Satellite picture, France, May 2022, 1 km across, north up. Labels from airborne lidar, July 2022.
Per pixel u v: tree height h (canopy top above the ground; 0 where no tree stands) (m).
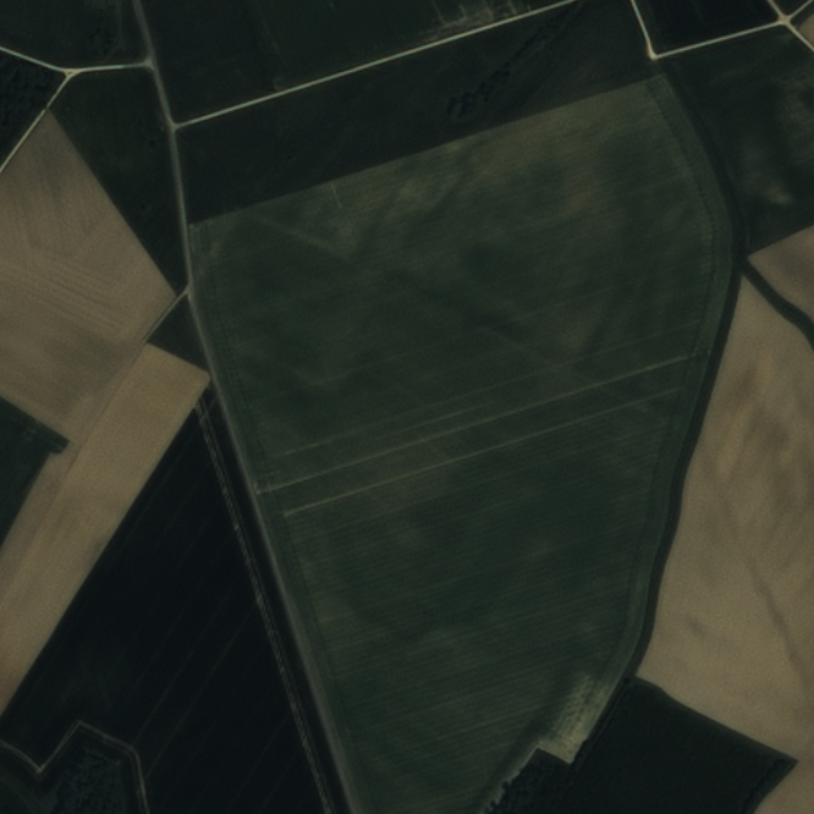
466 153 0
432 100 0
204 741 0
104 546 0
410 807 0
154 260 0
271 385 0
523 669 0
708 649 0
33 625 0
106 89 0
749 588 0
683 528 0
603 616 0
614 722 6
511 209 0
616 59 0
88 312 0
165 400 0
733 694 0
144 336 0
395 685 0
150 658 0
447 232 0
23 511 0
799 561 0
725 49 0
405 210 0
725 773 6
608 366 0
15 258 0
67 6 0
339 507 0
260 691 0
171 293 0
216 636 0
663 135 0
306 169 0
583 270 0
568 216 0
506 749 0
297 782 0
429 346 0
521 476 0
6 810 0
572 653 0
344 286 0
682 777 7
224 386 0
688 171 0
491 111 0
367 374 0
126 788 0
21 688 0
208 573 0
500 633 0
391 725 0
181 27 0
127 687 0
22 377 0
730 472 0
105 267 0
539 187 0
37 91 22
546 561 0
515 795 18
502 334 0
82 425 0
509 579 0
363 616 0
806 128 0
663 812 7
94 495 0
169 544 0
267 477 0
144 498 0
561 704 0
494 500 0
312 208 0
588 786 7
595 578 0
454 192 0
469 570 0
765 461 0
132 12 0
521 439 0
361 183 0
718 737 5
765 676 0
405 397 0
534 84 0
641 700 6
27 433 0
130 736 0
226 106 0
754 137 0
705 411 0
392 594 0
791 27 0
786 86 0
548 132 0
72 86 0
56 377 0
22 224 0
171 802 0
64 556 0
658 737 6
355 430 0
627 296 0
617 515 0
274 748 0
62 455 0
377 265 0
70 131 0
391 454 0
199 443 0
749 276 0
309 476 0
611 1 0
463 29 0
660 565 0
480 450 0
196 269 0
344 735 0
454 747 0
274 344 0
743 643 0
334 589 0
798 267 0
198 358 0
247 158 0
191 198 0
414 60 0
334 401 0
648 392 0
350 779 0
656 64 0
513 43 0
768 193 0
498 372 0
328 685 0
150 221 0
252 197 0
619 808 6
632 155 0
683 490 0
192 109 0
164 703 0
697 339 0
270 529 0
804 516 0
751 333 0
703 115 0
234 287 0
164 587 0
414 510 0
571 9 7
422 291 0
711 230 0
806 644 0
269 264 0
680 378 0
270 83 0
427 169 0
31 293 0
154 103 0
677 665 0
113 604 0
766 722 0
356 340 0
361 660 0
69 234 0
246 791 0
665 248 0
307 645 0
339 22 0
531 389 0
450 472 0
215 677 0
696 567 0
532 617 0
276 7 0
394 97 0
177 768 0
